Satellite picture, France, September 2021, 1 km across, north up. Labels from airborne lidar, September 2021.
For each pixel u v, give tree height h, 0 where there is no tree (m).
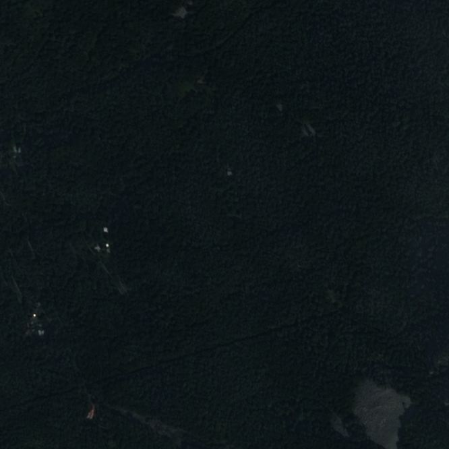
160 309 21
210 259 21
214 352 11
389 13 18
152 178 31
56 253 22
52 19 21
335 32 17
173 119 23
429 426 29
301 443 23
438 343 20
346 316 21
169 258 27
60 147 26
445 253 13
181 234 26
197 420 19
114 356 31
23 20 19
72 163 23
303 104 13
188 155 17
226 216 18
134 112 22
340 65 21
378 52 14
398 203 20
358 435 21
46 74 26
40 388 21
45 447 13
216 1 16
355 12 17
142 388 18
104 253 15
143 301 21
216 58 27
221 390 22
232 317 19
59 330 26
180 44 22
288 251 14
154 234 34
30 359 21
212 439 21
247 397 20
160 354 29
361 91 25
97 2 26
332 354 24
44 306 20
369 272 23
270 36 13
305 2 18
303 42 21
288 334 19
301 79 20
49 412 23
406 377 27
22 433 13
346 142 28
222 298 23
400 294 19
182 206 18
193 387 20
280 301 22
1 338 19
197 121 28
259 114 23
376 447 13
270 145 21
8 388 17
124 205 23
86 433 18
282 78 19
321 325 18
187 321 32
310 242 19
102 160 28
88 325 30
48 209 32
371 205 25
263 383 20
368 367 11
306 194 26
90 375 27
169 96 25
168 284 22
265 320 19
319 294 17
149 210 25
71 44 24
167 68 23
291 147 21
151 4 25
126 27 27
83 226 20
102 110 21
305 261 10
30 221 24
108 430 7
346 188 26
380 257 17
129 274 30
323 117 21
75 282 27
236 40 18
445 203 17
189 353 12
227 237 25
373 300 13
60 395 16
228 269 21
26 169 11
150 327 19
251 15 19
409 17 26
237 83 26
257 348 18
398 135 16
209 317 29
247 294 17
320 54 18
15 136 22
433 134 23
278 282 23
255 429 13
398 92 23
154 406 16
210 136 22
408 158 24
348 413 19
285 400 26
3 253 29
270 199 22
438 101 23
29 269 25
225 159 18
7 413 21
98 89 18
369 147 23
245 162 18
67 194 17
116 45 22
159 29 14
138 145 22
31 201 29
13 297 20
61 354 19
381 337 24
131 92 13
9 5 20
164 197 26
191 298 22
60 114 19
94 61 27
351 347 11
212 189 20
